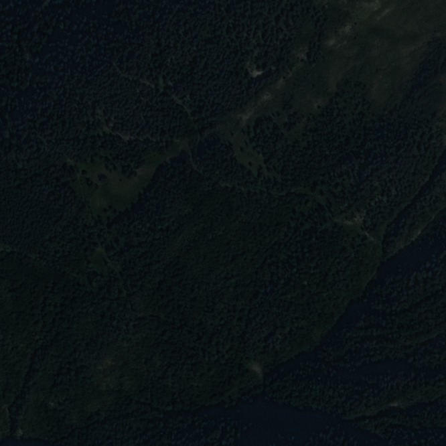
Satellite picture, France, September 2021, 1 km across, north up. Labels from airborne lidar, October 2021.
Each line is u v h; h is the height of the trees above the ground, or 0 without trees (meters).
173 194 11
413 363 17
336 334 19
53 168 25
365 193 24
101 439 24
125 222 16
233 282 14
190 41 27
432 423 14
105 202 0
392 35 0
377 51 0
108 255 26
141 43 26
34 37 29
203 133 16
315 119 11
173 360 16
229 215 15
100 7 8
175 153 0
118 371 18
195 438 15
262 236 11
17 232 28
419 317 11
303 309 16
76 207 11
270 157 11
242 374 20
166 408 18
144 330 18
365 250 14
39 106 27
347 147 17
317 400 10
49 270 21
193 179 18
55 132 25
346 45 0
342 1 0
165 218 14
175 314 15
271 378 10
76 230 15
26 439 18
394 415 13
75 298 15
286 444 23
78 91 27
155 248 19
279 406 19
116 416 21
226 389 21
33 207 22
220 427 19
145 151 30
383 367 17
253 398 15
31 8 33
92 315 20
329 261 19
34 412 18
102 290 15
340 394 20
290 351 11
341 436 11
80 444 22
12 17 24
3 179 21
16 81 12
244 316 15
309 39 5
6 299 23
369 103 9
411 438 15
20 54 8
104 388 10
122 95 28
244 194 11
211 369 23
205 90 26
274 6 30
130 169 14
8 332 19
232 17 14
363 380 33
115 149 26
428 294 18
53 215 19
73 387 31
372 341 16
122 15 20
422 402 7
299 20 9
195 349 12
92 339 13
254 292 12
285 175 15
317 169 15
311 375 16
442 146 13
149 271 14
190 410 15
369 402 17
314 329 26
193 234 13
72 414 15
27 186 32
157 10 11
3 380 15
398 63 0
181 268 13
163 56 24
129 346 20
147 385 18
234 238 15
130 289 14
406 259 6
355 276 17
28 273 24
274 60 21
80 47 31
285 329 26
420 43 0
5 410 13
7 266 26
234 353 11
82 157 30
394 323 18
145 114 25
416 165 29
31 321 18
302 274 16
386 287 15
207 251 18
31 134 21
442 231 12
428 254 12
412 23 0
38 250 19
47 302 27
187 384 15
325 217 21
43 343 19
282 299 23
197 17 29
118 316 17
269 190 14
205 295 20
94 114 24
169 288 23
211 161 18
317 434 13
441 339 8
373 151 10
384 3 0
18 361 16
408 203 13
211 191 13
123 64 25
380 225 13
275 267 16
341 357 13
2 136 32
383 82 0
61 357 20
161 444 25
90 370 18
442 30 0
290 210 14
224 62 28
